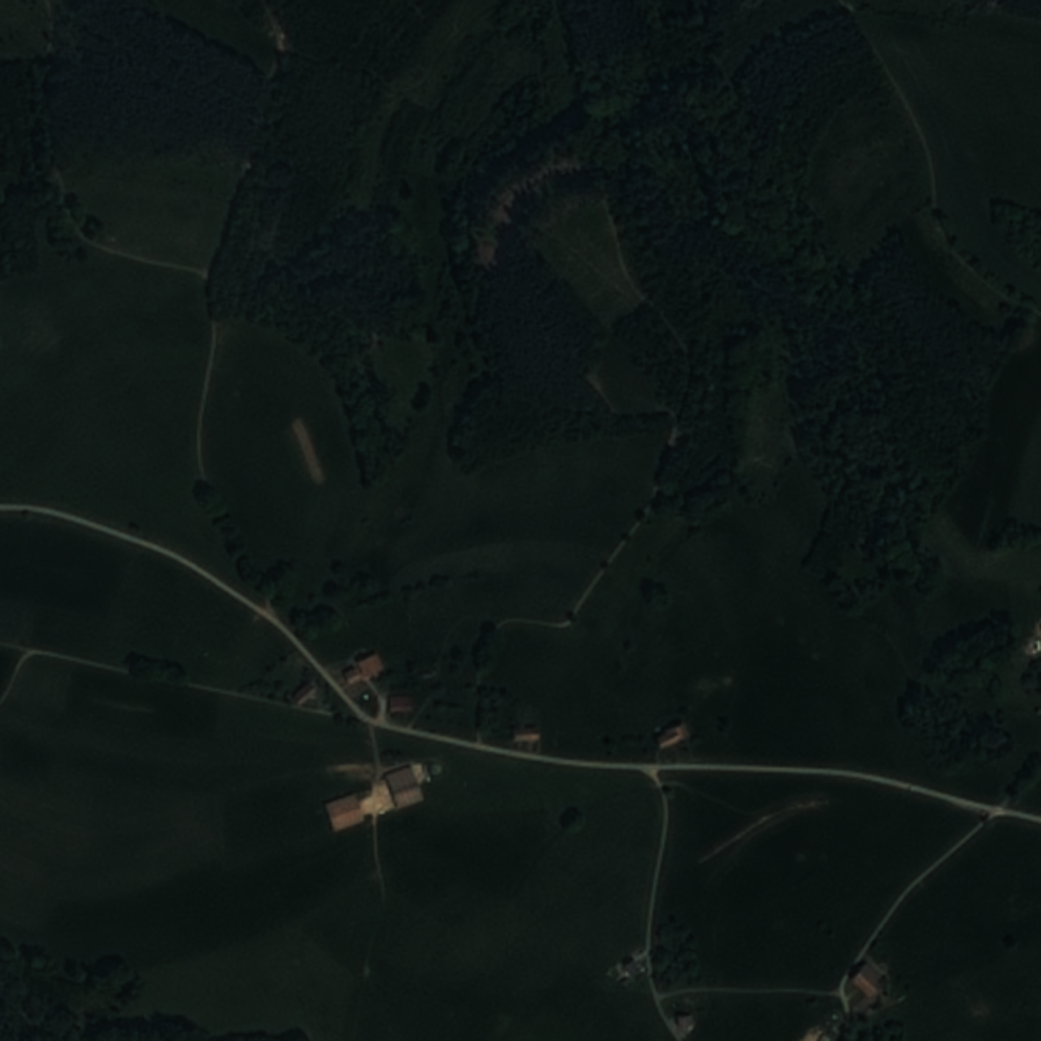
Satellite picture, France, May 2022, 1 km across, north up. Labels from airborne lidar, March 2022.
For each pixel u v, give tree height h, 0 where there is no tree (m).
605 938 0
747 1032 0
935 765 7
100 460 0
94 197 0
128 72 26
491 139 9
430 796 0
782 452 0
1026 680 8
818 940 0
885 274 23
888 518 24
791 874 0
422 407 18
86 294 0
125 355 0
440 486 0
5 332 0
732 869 0
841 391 16
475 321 15
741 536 0
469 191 10
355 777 0
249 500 0
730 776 0
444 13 6
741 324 8
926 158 0
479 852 0
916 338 18
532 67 0
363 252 32
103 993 8
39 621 0
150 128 27
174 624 0
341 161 8
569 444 7
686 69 12
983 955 0
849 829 0
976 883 0
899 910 0
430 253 0
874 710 0
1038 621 0
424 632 0
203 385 0
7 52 0
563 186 30
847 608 24
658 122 32
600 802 0
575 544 0
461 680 0
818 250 19
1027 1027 0
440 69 0
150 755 0
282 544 0
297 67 10
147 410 0
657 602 19
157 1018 0
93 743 0
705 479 9
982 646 21
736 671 0
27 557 0
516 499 0
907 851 0
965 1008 0
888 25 0
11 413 0
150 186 0
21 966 8
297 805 0
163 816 0
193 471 0
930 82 0
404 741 0
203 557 0
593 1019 0
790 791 0
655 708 0
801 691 0
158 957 0
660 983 7
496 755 0
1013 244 11
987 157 0
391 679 8
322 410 0
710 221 26
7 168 9
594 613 0
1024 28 0
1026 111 0
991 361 19
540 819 0
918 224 0
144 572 0
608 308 0
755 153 29
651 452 0
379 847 0
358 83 9
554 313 21
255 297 21
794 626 0
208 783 0
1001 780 0
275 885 0
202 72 32
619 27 30
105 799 0
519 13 16
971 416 16
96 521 0
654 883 0
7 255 17
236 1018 0
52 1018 29
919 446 18
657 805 0
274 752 0
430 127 9
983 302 0
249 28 0
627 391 0
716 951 0
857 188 0
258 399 0
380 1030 0
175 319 0
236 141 25
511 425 16
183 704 0
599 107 36
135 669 17
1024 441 0
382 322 30
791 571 0
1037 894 0
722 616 0
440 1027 0
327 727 0
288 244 11
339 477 0
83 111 27
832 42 16
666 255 21
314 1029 0
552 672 0
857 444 28
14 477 0
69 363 0
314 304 18
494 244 0
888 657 0
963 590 0
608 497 0
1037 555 0
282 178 21
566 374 21
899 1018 0
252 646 0
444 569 0
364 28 10
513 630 0
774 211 31
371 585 14
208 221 0
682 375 12
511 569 0
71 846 0
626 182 33
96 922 0
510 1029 0
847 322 32
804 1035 0
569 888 0
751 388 23
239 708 0
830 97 8
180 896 0
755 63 17
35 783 0
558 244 0
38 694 0
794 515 0
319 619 16
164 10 0
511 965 0
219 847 0
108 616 0
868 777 0
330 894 0
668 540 0
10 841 0
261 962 0
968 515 0
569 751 0
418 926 0
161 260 0
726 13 18
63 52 25
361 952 0
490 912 0
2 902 0
